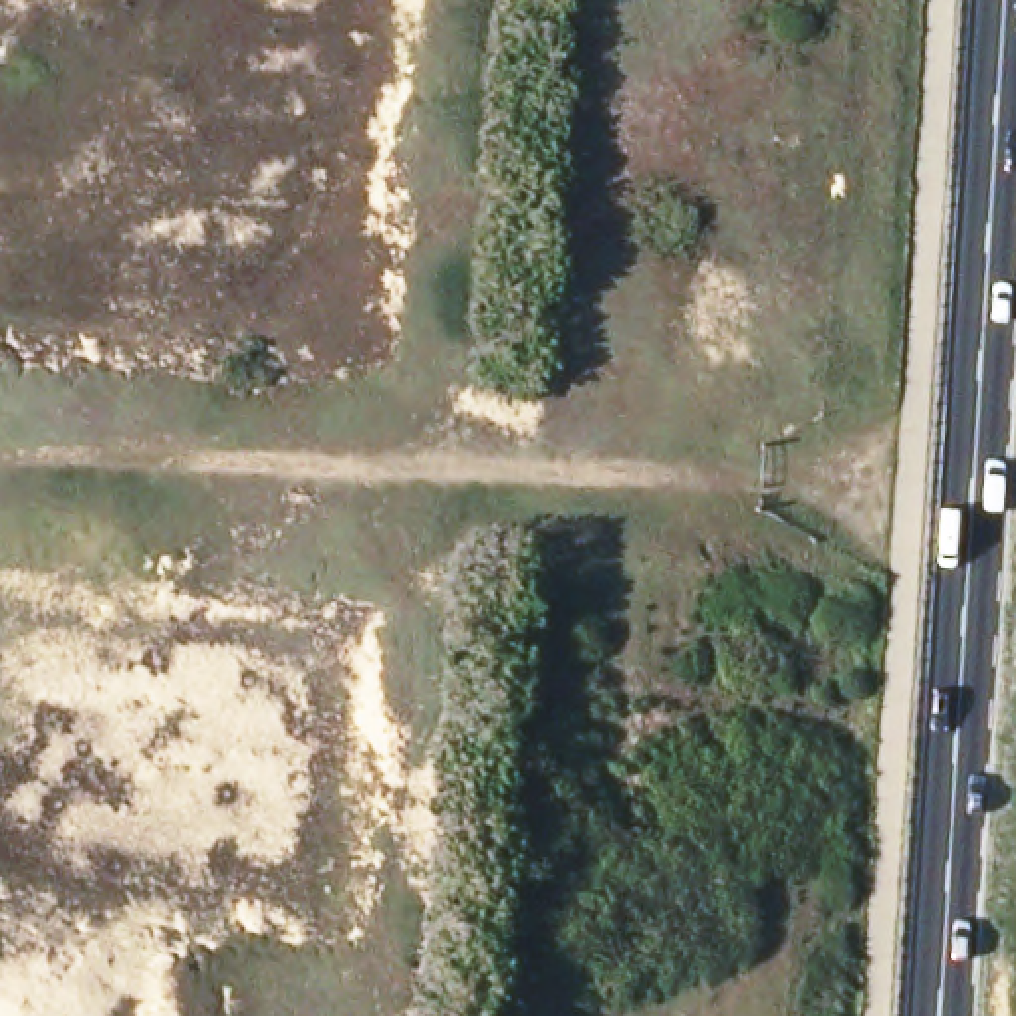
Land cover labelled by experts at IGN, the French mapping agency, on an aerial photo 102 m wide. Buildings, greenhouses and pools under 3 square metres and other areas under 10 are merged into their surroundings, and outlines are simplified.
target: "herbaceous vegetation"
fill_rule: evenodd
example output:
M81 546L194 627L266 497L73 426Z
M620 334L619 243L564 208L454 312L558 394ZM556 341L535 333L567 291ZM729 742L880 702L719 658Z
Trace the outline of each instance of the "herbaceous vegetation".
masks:
M417 953L425 905L405 885L401 869L381 861L381 897L361 941L286 945L278 933L238 929L218 949L191 949L171 968L179 1016L409 1016L405 1008L413 1008L413 984L421 980Z
M849 702L849 734L877 754L885 691L877 699Z
M155 421L167 433L202 433L210 452L274 448L381 456L437 448L512 456L516 429L456 409L464 389L492 393L480 377L480 361L496 357L500 349L480 329L480 306L488 302L488 290L496 290L500 282L492 254L508 222L492 214L492 206L508 198L508 183L500 183L500 175L492 171L488 143L480 143L476 167L460 163L456 147L464 99L448 95L448 67L464 52L464 44L448 12L468 0L425 0L425 40L409 52L417 67L413 95L397 119L393 147L393 167L405 175L409 206L417 210L417 238L409 246L401 329L389 329L385 314L365 310L369 298L385 294L389 242L365 234L365 214L369 171L377 163L369 119L377 115L381 91L385 83L393 83L397 71L393 0L0 0L0 329L12 329L16 314L36 314L52 321L75 321L87 337L95 325L107 321L107 298L135 294L135 282L119 278L119 262L135 246L135 226L147 226L155 218L214 206L234 218L270 226L266 238L234 246L222 222L210 222L202 230L202 242L187 246L187 254L179 258L179 294L187 294L191 306L171 302L171 318L179 318L179 325L202 318L206 337L226 337L242 353L250 349L250 337L270 337L270 357L282 365L278 385L254 385L250 397L218 397L210 381L171 377L167 369L115 373L111 365L87 357L56 373L64 389L71 389L79 401L95 409L111 413L115 401L151 405ZM314 52L310 64L294 64L286 71L250 71L250 56L298 44ZM75 163L87 139L107 143L111 167L103 179L67 191L60 187L56 167ZM278 159L286 171L278 179L282 210L254 206L250 198L250 183L258 167L270 159Z
M778 953L766 964L738 972L726 984L699 984L667 1004L643 1004L627 1016L790 1016L798 964L778 945Z
M540 329L556 337L560 365L548 373L540 401L536 429L544 460L683 460L702 468L710 492L433 480L349 484L191 472L143 476L83 468L0 468L0 572L48 572L67 560L71 532L107 520L131 536L131 548L143 560L194 556L194 568L187 575L171 575L171 583L171 591L179 595L222 599L230 591L246 595L246 603L258 595L258 587L290 587L302 607L314 607L314 591L325 591L329 599L373 599L385 611L377 647L381 699L393 722L405 730L433 730L445 738L448 722L456 722L464 734L472 730L472 718L464 718L464 710L452 699L452 651L464 643L472 619L460 607L445 611L433 595L421 591L421 572L437 564L452 552L468 524L496 524L508 536L532 536L536 544L560 516L615 516L623 524L623 572L631 579L627 643L619 651L623 687L627 695L675 695L679 683L671 679L671 659L663 659L663 647L695 647L687 639L687 623L702 591L702 579L734 572L738 564L762 564L766 556L778 556L818 579L853 568L857 579L865 579L877 560L837 516L826 516L794 496L802 492L802 484L810 484L814 460L822 452L845 448L849 437L869 437L873 429L897 421L905 409L929 0L837 0L829 36L814 52L814 60L806 67L794 64L790 71L774 71L774 60L742 48L738 16L750 4L786 12L790 0L572 0L568 24L575 44L560 60L560 75L575 79L579 95L572 103L572 135L564 143L572 159L556 175L564 226L564 286L540 310ZM746 361L714 365L699 349L687 318L687 306L695 302L691 286L699 266L691 258L635 258L631 218L619 206L623 179L623 151L615 135L611 99L619 83L643 83L655 71L655 52L663 52L679 71L671 87L679 87L687 99L679 115L687 123L691 155L679 155L671 171L695 194L706 194L714 202L706 262L726 266L746 282Z

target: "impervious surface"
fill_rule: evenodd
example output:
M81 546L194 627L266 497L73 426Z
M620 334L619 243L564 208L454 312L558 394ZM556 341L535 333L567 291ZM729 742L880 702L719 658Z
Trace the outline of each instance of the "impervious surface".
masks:
M1016 1016L1016 0L960 0L941 389L933 417L933 484L921 524L925 615L913 718L913 794L897 1016Z

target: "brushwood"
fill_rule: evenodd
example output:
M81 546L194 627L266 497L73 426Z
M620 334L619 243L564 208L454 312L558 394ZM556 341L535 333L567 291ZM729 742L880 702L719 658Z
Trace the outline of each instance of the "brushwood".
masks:
M619 206L631 218L635 258L691 258L699 266L706 262L714 202L706 194L695 194L671 171L639 171L631 183L623 179Z
M472 718L472 730L464 734L456 722L448 722L445 738L433 798L441 841L425 861L401 857L401 869L405 885L425 905L417 953L421 980L413 984L413 1008L405 1008L409 1016L627 1016L643 1004L667 1004L699 984L726 984L738 972L766 964L778 953L778 945L798 964L790 1016L865 1016L869 897L877 873L877 754L849 734L849 702L877 699L885 691L885 647L897 575L893 564L877 560L865 579L857 579L853 568L818 579L778 556L766 556L762 564L738 564L734 572L702 579L702 591L687 623L687 639L695 647L663 647L663 659L671 659L671 679L679 683L675 695L627 695L623 687L619 651L627 643L631 579L623 572L623 524L615 516L560 516L536 544L532 536L508 536L496 524L468 524L452 552L437 564L456 575L452 591L460 607L472 619L464 643L452 651L452 699L464 710L464 718ZM627 746L627 714L651 710L667 710L667 726L647 734L639 750Z
M837 0L790 0L786 12L750 4L738 16L742 48L774 60L774 71L790 71L794 64L806 67L814 60L814 52L829 36Z
M564 286L564 226L556 175L572 159L564 143L572 135L572 103L579 95L575 79L560 75L560 60L575 44L568 24L572 0L468 0L448 12L464 44L464 52L448 67L448 95L464 99L456 147L460 163L476 167L480 143L488 143L492 171L500 175L500 183L508 183L508 198L492 206L492 214L508 222L492 254L500 282L496 290L488 290L488 302L480 306L480 329L500 349L496 357L480 361L480 377L492 393L500 393L504 401L540 401L548 373L560 365L556 337L540 329L540 310Z

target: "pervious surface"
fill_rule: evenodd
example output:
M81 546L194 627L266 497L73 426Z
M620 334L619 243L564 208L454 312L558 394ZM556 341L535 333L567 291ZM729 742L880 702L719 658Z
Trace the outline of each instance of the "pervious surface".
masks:
M401 790L401 746L393 722L381 699L377 647L385 611L373 599L329 599L325 591L314 591L314 607L302 607L290 587L258 587L258 595L246 603L246 595L230 591L222 599L179 595L171 591L171 583L123 579L95 595L87 583L56 583L48 572L0 572L0 1016L179 1016L171 968L191 949L218 949L238 929L278 933L286 945L361 941L381 897L381 861L381 849L373 849L373 841L385 826L373 818L369 798L393 802L393 794Z
M0 468L83 468L91 460L87 445L0 448Z
M389 242L385 294L369 298L365 310L385 314L389 329L401 329L409 246L417 238L417 210L409 206L405 175L393 167L393 147L397 119L413 95L417 67L409 52L425 40L425 0L393 0L397 71L393 83L385 83L381 91L377 115L369 119L377 163L369 171L365 214L365 234Z
M536 429L516 429L512 456L437 448L381 456L274 448L210 452L194 452L191 472L349 484L433 480L710 492L702 468L683 460L544 460Z
M885 691L877 754L877 873L869 897L865 1016L897 1016L913 794L913 718L925 615L921 524L933 484L933 417L941 389L960 0L929 0L905 409L897 421L873 429L869 437L849 437L845 448L822 452L814 460L810 484L802 484L802 492L794 496L826 516L837 516L877 560L893 564L897 575L885 647Z

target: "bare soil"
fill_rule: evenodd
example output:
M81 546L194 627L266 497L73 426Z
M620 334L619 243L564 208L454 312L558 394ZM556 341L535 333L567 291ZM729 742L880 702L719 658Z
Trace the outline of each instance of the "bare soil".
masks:
M433 730L405 730L393 722L401 746L401 790L393 794L393 802L369 798L373 818L385 826L373 841L373 849L381 849L381 861L401 869L401 857L425 861L441 841L433 798L445 738Z
M194 568L194 556L143 560L131 548L131 536L107 520L71 532L67 560L48 572L56 583L87 583L95 595L123 579L171 583L171 575L187 575Z
M679 115L687 99L679 87L671 87L679 71L663 52L655 52L655 71L643 83L619 83L611 99L615 135L623 151L623 179L631 183L639 171L671 171L679 155L691 155L687 123Z
M433 595L445 611L460 607L452 591L456 575L437 564L421 572L421 591Z
M691 286L695 302L687 306L687 318L699 349L714 365L746 361L746 282L726 266L706 262L699 266Z
M516 429L536 429L540 401L504 401L500 393L492 393L464 389L456 409Z
M75 163L56 167L60 187L67 191L103 179L111 167L107 143L87 139Z
M250 56L250 71L286 71L294 64L310 64L314 52L298 44Z
M179 318L171 318L171 302L191 306L187 294L179 294L179 258L187 254L187 246L202 242L202 230L210 222L222 222L234 246L266 238L270 226L234 218L214 206L155 218L147 226L135 226L135 246L119 262L119 278L135 282L135 294L107 298L107 321L95 325L87 337L75 321L52 321L36 314L16 314L12 329L0 329L0 448L87 445L91 460L83 468L143 476L191 472L194 452L210 452L202 433L167 433L155 421L151 405L115 401L111 413L95 409L79 401L71 389L64 389L56 373L87 357L111 365L115 373L167 369L171 377L210 381L218 397L250 397L254 385L278 385L282 365L270 357L270 337L250 337L250 349L242 353L226 337L206 337L202 318L179 325Z
M639 750L647 734L667 726L667 710L651 710L627 714L627 746Z
M250 198L254 206L282 210L278 179L286 171L278 159L270 159L258 167L250 183Z

